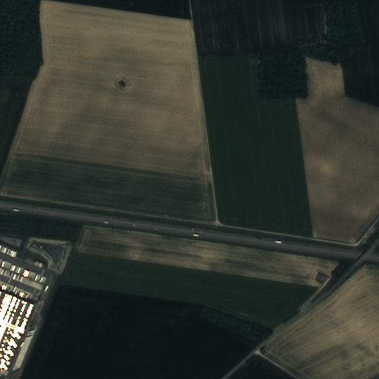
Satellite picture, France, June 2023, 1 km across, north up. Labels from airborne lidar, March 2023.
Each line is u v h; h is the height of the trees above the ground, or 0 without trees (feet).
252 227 0
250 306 0
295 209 0
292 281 0
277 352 0
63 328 0
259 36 0
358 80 0
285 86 55
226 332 0
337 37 64
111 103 0
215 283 0
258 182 0
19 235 0
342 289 0
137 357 0
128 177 0
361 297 0
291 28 0
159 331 0
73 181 0
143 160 0
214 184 0
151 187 0
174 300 0
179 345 0
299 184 0
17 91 0
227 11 0
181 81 0
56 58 0
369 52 0
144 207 0
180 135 0
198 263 0
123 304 0
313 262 0
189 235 0
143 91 0
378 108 0
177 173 0
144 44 0
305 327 0
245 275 0
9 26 49
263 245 0
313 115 0
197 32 0
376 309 0
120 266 0
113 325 0
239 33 0
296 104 0
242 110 0
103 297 0
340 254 0
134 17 0
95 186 0
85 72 0
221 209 0
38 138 0
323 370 0
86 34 0
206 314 49
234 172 0
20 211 0
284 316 0
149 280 0
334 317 0
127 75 0
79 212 0
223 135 0
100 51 0
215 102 0
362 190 0
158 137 0
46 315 0
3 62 51
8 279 0
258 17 0
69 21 0
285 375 0
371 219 0
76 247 0
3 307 0
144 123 0
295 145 0
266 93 51
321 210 0
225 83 0
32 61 28
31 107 0
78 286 0
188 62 0
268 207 0
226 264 0
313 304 0
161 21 0
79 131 0
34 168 0
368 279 0
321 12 0
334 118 0
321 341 0
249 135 0
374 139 0
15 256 0
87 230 0
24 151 0
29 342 0
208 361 0
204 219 0
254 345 0
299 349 0
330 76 0
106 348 0
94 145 0
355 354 0
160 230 0
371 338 0
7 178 0
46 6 0
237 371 0
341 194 0
